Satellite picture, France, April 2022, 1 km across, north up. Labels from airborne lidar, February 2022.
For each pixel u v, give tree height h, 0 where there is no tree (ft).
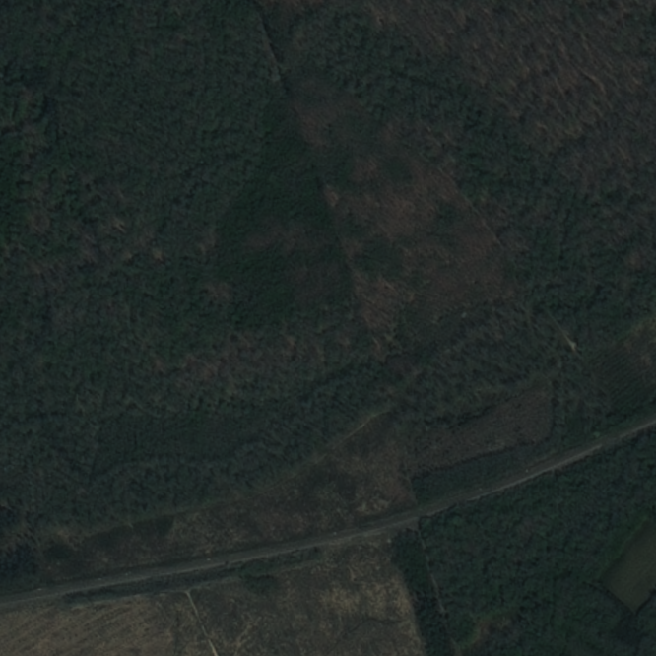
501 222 76
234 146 73
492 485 0
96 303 68
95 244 98
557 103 93
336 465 0
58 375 72
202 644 0
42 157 92
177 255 77
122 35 90
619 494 99
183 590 0
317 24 87
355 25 90
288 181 40
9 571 55
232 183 72
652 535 0
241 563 25
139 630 0
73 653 0
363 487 0
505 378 85
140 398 87
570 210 94
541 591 63
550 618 86
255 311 39
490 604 82
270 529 0
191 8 74
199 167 55
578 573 74
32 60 86
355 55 90
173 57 75
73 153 68
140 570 0
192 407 83
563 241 86
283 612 0
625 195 97
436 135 75
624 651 68
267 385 88
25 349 84
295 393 34
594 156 94
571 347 0
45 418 58
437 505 0
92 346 69
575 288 92
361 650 0
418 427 72
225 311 73
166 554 0
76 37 85
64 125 104
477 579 83
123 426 43
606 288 93
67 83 79
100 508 84
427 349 23
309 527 0
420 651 0
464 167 79
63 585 0
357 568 0
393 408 77
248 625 0
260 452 79
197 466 70
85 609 0
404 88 81
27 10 94
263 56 73
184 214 86
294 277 60
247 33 81
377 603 0
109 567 0
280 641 0
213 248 55
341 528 0
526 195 87
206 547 0
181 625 0
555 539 77
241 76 88
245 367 88
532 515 91
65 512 75
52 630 0
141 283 77
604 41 115
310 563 0
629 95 92
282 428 47
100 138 90
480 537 78
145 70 83
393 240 53
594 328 79
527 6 88
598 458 24
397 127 80
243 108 78
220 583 0
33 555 86
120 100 87
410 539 53
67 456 86
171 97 90
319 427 58
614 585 0
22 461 48
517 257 84
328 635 0
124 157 86
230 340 74
